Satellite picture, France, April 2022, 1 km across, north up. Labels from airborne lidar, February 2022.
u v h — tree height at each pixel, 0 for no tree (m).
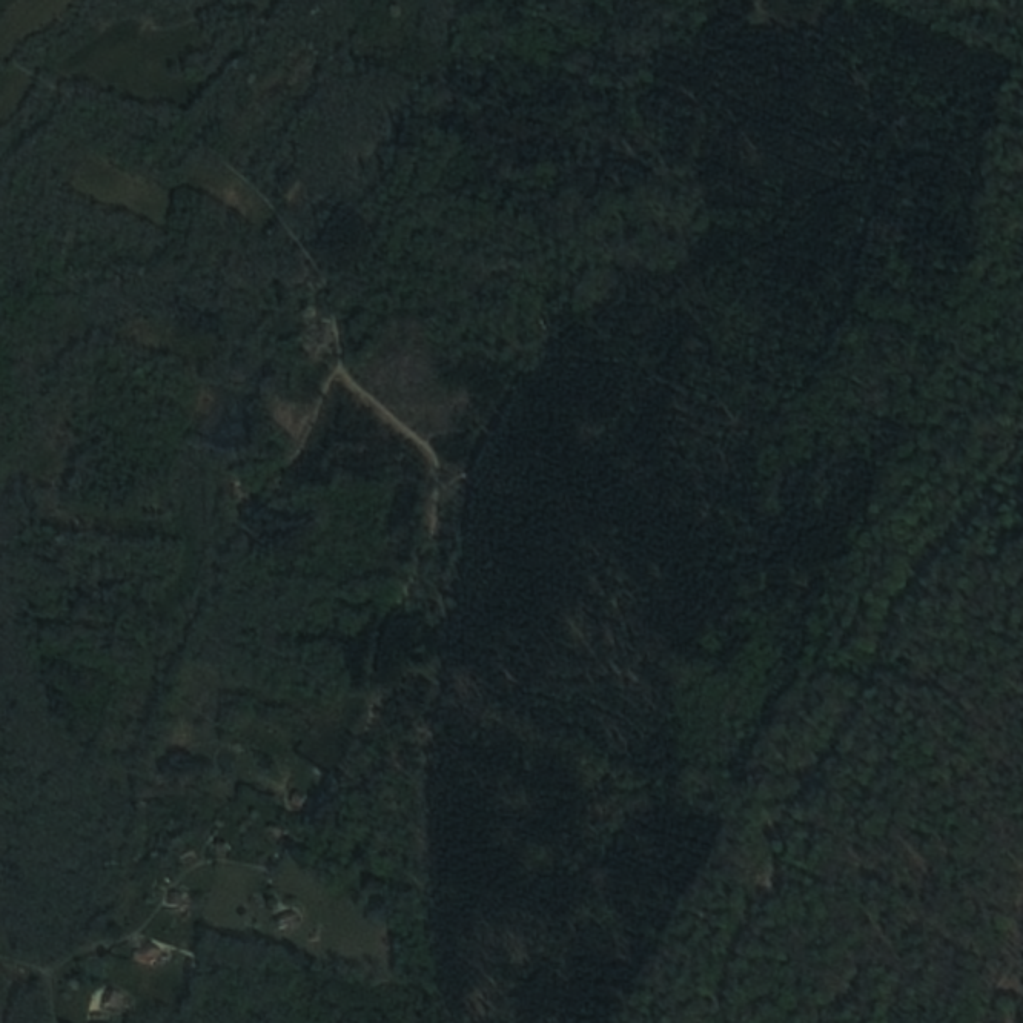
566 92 20
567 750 19
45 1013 22
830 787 22
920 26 14
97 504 23
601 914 17
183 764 27
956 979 28
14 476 11
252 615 23
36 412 20
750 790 25
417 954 24
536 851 16
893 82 13
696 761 15
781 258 10
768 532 25
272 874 18
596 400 23
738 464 21
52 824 21
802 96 16
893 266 20
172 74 14
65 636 22
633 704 18
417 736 25
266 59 20
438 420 0
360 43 15
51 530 19
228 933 0
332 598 22
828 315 15
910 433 22
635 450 22
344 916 0
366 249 15
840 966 27
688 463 21
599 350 20
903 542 27
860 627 18
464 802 21
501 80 24
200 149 20
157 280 25
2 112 0
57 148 17
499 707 22
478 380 11
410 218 20
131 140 20
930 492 27
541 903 18
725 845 23
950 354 21
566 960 21
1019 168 25
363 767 22
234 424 0
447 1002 20
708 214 17
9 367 22
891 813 28
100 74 0
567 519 24
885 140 25
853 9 12
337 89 20
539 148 19
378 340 24
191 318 25
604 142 17
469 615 24
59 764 19
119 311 24
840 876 26
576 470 23
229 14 20
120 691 23
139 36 0
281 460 16
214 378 16
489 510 27
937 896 30
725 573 20
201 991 24
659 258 24
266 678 24
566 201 24
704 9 13
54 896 17
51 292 20
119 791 18
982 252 16
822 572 20
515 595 24
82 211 17
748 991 26
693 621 21
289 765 0
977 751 28
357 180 26
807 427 21
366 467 7
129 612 20
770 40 15
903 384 20
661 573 20
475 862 23
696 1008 27
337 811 34
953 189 15
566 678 18
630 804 19
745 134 15
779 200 12
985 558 23
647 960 23
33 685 19
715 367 18
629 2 24
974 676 31
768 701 13
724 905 26
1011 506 12
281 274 19
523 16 19
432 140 23
